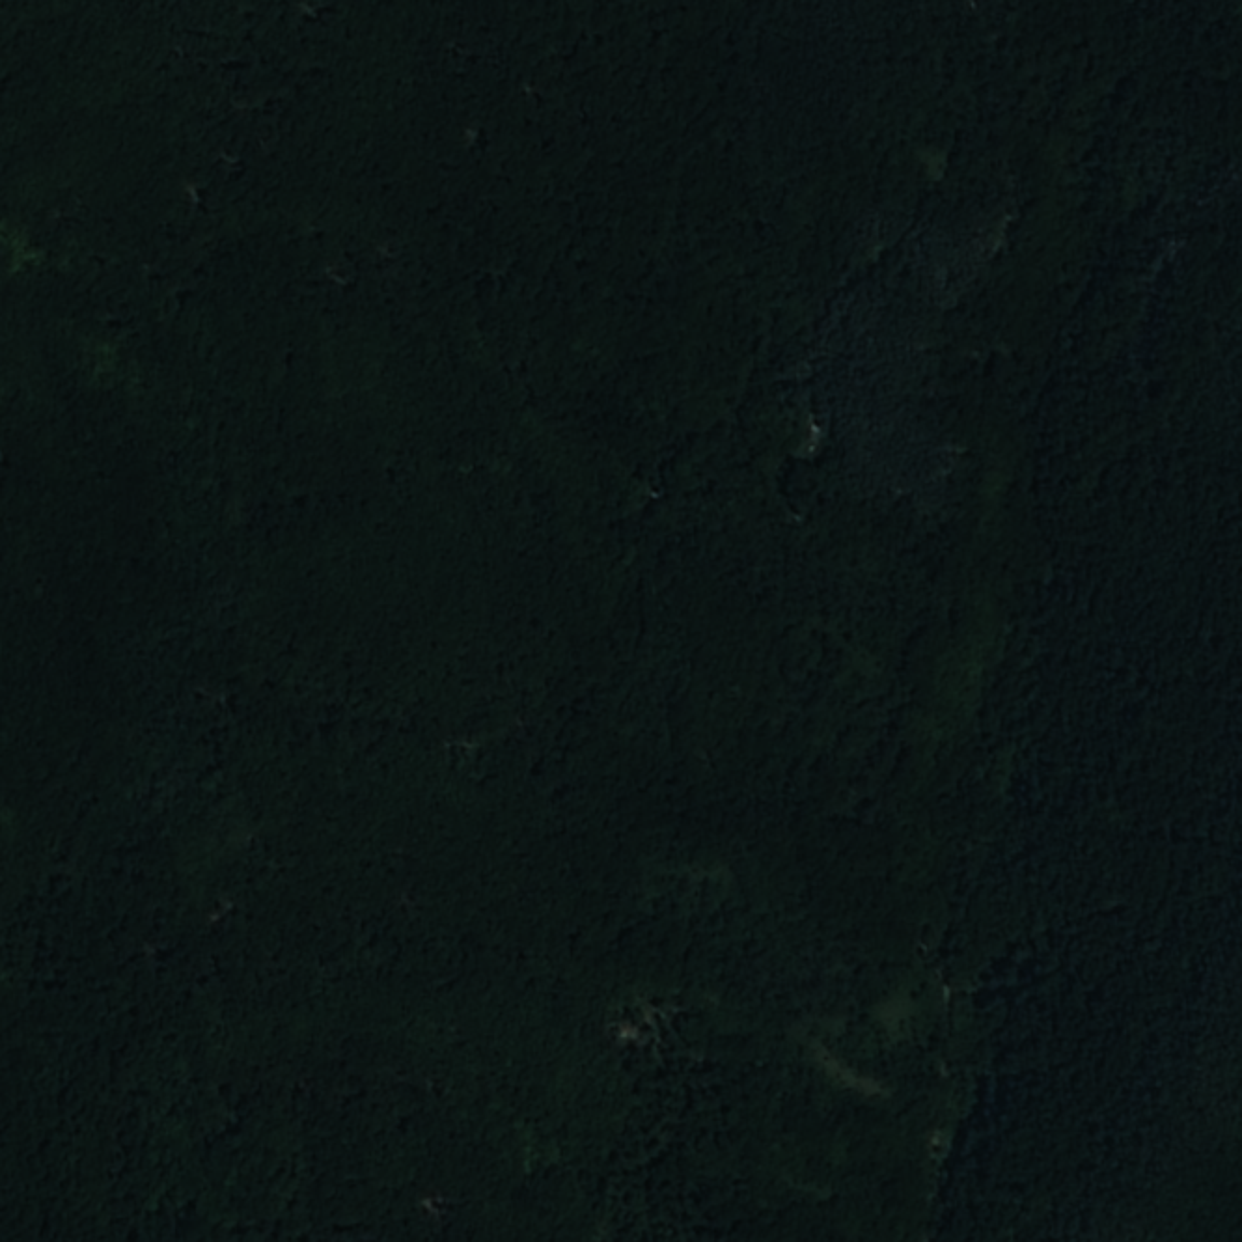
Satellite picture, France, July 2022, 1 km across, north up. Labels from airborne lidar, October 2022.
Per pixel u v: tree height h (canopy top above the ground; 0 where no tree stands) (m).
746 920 15
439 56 31
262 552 21
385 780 21
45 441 24
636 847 26
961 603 19
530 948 24
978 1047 31
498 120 31
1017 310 30
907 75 17
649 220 30
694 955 29
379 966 24
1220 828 27
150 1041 28
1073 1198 23
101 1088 23
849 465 23
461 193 30
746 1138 25
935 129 13
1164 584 24
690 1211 30
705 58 30
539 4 33
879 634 6
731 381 20
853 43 26
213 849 15
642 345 26
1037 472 25
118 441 29
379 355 21
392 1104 29
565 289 29
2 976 23
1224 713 26
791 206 24
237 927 26
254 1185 29
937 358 19
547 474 27
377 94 25
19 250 15
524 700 26
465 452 31
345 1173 31
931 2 26
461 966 26
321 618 27
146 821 21
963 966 21
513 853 28
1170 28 31
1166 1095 19
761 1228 28
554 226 30
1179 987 26
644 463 18
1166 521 28
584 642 30
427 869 21
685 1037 31
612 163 27
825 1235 25
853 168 23
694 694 24
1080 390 34
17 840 23
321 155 29
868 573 13
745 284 18
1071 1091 28
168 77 28
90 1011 25
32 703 26
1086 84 28
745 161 9
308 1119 30
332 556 22
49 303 25
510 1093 27
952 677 27
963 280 26
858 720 9
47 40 24
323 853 24
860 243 25
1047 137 32
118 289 29
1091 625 28
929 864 31
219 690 31
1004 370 33
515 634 27
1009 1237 21
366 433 25
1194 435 17
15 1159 15
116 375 23
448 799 20
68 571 29
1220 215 35
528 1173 21
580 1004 28
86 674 31
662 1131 8
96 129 25
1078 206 21
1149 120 34
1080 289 28
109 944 29
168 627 24
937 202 25
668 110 33
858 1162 8
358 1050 32
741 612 29
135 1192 32
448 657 25
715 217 28
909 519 24
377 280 23
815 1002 29
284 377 23
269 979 34
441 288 27
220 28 30
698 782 26
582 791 31
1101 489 25
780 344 14
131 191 22
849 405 30
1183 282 27
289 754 24
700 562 30
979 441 25
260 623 28
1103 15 33
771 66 33
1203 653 33
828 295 23
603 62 36
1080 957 33
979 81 25
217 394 26
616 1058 25
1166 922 27
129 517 27
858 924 31
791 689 31
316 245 28
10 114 22
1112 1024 30
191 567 20
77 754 19
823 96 25
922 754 28
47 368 14
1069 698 32
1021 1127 34
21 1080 18
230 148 28
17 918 24
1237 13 29
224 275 25
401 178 24
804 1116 26
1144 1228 12
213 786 22
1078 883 28
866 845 32
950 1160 12
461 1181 30
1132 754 36
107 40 28
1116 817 31
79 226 26
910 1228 23
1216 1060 16
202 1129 29
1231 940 16
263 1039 23
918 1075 11
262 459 28
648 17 29
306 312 27
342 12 27
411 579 21
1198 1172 14
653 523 25
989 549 21
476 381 28
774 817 25
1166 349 32
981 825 28
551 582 30
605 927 26
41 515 27
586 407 21
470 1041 20
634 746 30
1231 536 33
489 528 28
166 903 32
